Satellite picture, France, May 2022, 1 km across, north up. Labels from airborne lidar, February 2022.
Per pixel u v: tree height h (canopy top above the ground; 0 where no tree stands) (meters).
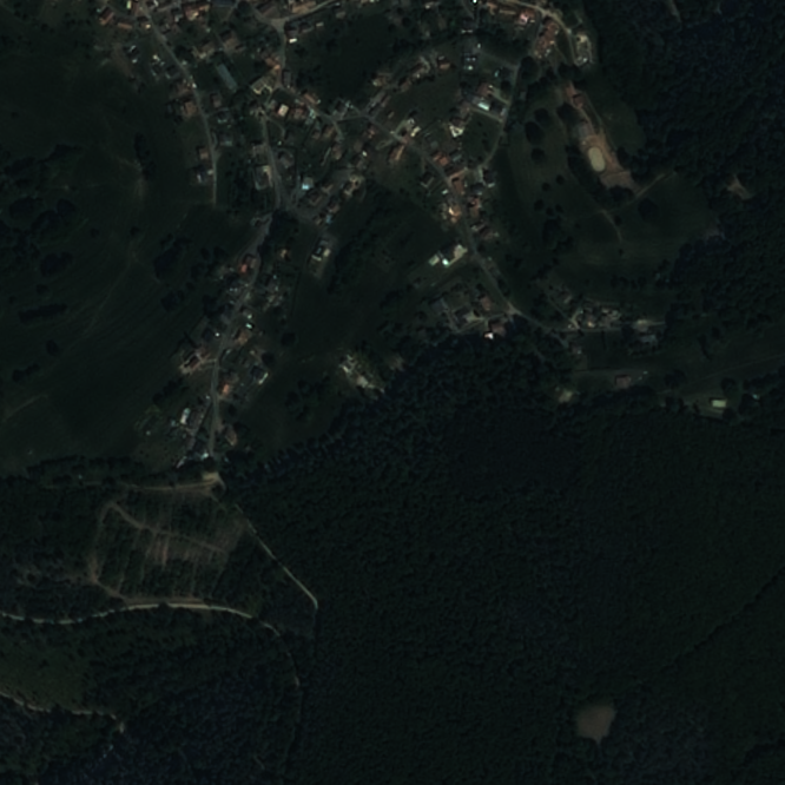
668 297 0
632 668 17
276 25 0
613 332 0
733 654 21
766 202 26
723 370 0
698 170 20
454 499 24
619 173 0
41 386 0
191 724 26
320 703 23
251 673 30
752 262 24
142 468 9
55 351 19
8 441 0
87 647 14
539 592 21
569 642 19
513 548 20
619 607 13
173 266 16
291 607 13
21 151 0
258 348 0
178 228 0
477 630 23
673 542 18
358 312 0
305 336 0
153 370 0
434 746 20
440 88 0
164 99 0
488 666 25
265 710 23
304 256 0
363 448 26
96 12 6
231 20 0
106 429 0
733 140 16
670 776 26
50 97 0
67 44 0
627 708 19
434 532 17
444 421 15
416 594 21
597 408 15
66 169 14
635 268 0
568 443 15
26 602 13
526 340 21
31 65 0
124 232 0
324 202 0
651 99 23
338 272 8
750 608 14
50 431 0
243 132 6
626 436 15
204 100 0
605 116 0
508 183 0
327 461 26
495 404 17
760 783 21
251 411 0
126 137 0
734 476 13
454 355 28
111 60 0
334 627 18
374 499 19
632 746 18
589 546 16
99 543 0
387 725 20
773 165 22
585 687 18
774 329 0
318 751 20
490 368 16
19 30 0
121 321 0
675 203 0
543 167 0
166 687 22
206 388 0
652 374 0
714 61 30
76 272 0
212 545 0
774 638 19
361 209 0
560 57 0
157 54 0
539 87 18
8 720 31
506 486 15
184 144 0
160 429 0
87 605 11
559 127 0
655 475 17
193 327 0
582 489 14
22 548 9
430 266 0
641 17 28
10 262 24
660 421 12
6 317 0
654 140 22
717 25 23
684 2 20
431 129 0
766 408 11
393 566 22
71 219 20
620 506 14
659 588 14
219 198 0
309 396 15
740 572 19
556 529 17
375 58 0
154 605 0
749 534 15
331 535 19
